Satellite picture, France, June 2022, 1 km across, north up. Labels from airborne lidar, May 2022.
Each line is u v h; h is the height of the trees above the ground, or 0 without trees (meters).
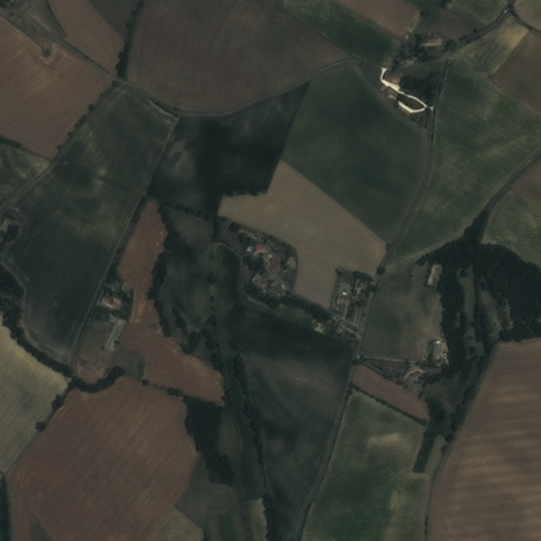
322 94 0
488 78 0
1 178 0
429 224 0
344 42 0
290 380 0
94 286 0
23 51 0
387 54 0
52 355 0
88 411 0
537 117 0
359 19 0
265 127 0
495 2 0
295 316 0
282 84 0
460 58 0
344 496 0
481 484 0
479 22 0
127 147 0
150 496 0
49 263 0
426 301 0
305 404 0
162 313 10
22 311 11
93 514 0
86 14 0
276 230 0
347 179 0
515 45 0
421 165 0
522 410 0
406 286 0
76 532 0
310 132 0
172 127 0
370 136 0
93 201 0
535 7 0
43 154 0
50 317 0
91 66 0
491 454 0
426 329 0
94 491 0
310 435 0
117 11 0
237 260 0
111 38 0
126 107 0
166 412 0
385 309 0
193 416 16
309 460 0
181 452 0
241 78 0
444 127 0
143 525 0
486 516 0
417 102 0
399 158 0
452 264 18
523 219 0
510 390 0
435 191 0
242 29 0
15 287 16
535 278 18
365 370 0
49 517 0
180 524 0
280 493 0
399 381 7
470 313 0
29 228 0
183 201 0
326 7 0
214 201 0
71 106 0
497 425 0
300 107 0
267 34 0
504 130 0
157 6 0
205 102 0
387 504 0
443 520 0
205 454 13
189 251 14
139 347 0
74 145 0
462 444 0
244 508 0
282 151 0
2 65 0
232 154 0
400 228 0
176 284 0
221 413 19
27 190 0
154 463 0
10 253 0
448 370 13
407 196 0
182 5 0
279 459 0
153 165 0
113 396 0
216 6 0
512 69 0
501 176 0
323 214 0
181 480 0
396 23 0
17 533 0
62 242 0
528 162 0
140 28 0
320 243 0
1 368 0
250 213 0
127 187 0
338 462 0
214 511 0
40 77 0
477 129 0
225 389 8
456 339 17
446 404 0
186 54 0
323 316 10
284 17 0
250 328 0
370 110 0
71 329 0
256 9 0
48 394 0
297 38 0
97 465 0
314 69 0
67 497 0
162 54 0
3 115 0
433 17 0
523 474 0
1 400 0
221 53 0
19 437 0
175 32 0
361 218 0
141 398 0
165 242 8
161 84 0
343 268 0
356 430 0
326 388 0
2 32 0
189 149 0
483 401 0
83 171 0
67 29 0
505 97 0
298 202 0
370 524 0
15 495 0
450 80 0
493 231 0
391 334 0
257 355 0
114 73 0
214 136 0
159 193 0
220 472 14
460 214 0
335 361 0
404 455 0
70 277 0
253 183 0
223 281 0
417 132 0
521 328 13
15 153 0
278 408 0
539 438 0
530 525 0
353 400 0
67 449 0
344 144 0
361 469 0
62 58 0
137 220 8
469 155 0
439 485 0
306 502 0
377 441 0
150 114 0
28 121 0
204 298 0
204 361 0
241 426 0
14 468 0
